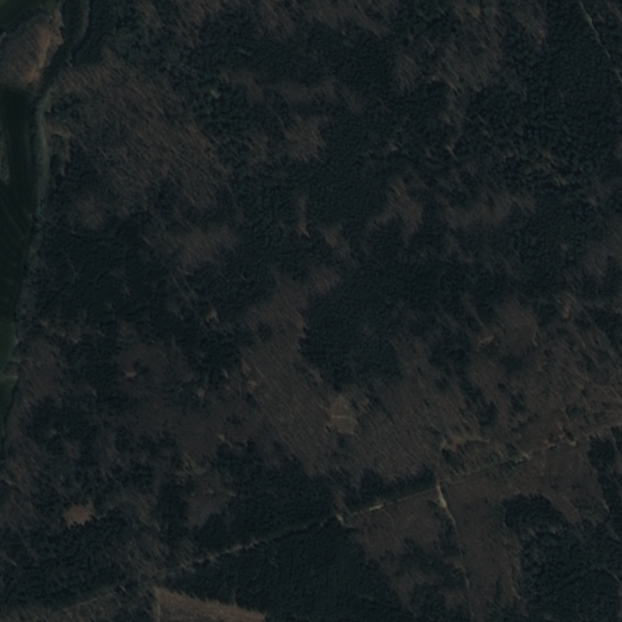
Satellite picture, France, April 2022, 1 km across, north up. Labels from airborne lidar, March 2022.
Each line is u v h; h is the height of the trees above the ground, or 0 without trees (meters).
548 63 29
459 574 10
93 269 21
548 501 12
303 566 14
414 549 13
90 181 27
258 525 21
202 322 20
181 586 18
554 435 10
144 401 14
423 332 19
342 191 24
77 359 12
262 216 28
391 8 22
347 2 23
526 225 18
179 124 24
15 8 0
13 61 24
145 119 21
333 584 18
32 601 28
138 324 11
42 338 13
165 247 20
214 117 11
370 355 28
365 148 25
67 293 14
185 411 10
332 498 25
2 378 0
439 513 6
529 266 24
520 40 35
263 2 23
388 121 27
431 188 16
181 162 25
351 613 14
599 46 26
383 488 28
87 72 23
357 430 0
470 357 21
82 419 18
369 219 23
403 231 15
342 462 17
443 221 17
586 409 0
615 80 27
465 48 27
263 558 16
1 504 32
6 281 0
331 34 20
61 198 22
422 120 24
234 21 28
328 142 25
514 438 14
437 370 28
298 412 24
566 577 29
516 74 37
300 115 23
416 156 22
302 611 20
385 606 16
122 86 23
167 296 17
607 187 20
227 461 23
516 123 21
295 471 25
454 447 25
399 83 22
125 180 24
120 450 17
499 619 18
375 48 24
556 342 19
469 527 17
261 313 21
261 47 18
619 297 21
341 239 20
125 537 28
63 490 20
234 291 22
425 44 19
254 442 10
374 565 18
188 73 20
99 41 25
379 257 22
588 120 26
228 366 22
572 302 18
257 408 14
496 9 28
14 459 20
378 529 13
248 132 20
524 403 18
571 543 30
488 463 17
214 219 25
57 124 24
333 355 20
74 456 13
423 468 22
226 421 9
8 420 13
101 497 9
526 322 17
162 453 15
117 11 26
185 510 18
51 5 0
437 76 21
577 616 14
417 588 12
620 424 14
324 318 25
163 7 24
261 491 20
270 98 22
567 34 27
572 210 10
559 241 27
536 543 22
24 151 0
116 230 20
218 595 17
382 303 28
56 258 18
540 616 17
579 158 25
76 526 6
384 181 23
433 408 22
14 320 0
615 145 26
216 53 23
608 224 17
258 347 25
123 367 10
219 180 29
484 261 20
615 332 19
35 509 23
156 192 22
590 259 23
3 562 23
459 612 15
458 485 19
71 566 20
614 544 28
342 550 17
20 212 0
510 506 22
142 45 21
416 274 25
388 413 20
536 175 9
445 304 16
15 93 0
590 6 24
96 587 28
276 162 21
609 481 20
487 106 24
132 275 18
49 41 0
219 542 16
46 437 16
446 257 21
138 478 18
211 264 19
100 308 18
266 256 27
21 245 0
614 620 17
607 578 23
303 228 18
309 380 17
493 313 24
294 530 26
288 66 22
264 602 15
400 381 28
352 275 28
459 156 20
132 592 22
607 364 18
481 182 23
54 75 10
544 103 27
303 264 28
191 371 12
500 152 20
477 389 21
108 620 25
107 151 23
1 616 25
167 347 11
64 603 35
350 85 23
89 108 21
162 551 16
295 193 27
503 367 10
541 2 26
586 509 12
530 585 24
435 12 26
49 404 17
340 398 12
